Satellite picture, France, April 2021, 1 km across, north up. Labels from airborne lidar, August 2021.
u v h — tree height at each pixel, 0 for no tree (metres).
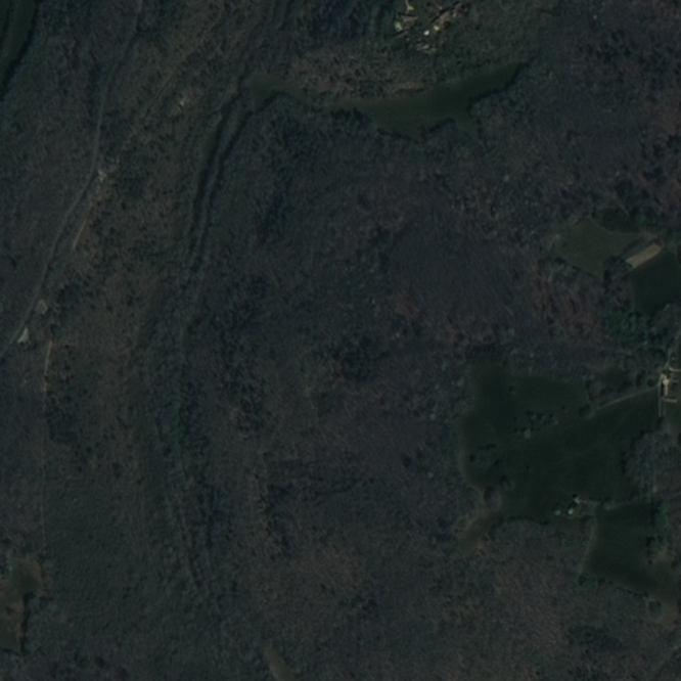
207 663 17
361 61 11
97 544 8
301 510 11
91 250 10
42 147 8
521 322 13
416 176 12
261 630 16
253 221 6
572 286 20
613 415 0
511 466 0
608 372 0
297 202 9
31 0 0
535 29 15
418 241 22
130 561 15
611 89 15
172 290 20
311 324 15
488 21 19
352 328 15
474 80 0
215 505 17
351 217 16
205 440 12
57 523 12
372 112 0
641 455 13
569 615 20
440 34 11
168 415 23
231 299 14
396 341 12
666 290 0
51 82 7
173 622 14
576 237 0
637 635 19
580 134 8
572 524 0
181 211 17
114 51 12
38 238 8
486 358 16
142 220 8
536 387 0
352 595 12
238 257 9
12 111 17
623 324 19
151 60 9
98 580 11
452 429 10
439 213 15
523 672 18
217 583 15
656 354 15
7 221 13
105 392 14
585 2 27
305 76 10
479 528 0
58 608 13
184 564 11
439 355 15
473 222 7
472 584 18
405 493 14
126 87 9
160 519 11
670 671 14
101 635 11
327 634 16
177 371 16
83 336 12
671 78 9
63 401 9
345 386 11
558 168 14
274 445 16
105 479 8
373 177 16
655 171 7
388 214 9
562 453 0
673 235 18
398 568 13
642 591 0
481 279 20
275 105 12
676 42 9
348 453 10
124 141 13
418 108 0
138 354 20
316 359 15
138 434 9
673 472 12
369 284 15
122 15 8
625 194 23
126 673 17
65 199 10
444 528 15
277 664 0
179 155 11
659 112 8
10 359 12
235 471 14
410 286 18
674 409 0
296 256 10
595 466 0
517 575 19
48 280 9
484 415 0
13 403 15
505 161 18
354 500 8
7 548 23
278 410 9
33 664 18
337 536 12
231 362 18
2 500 16
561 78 13
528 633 18
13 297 9
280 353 15
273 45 18
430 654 17
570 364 21
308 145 15
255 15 14
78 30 11
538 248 20
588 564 0
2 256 7
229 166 22
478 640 15
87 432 6
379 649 15
